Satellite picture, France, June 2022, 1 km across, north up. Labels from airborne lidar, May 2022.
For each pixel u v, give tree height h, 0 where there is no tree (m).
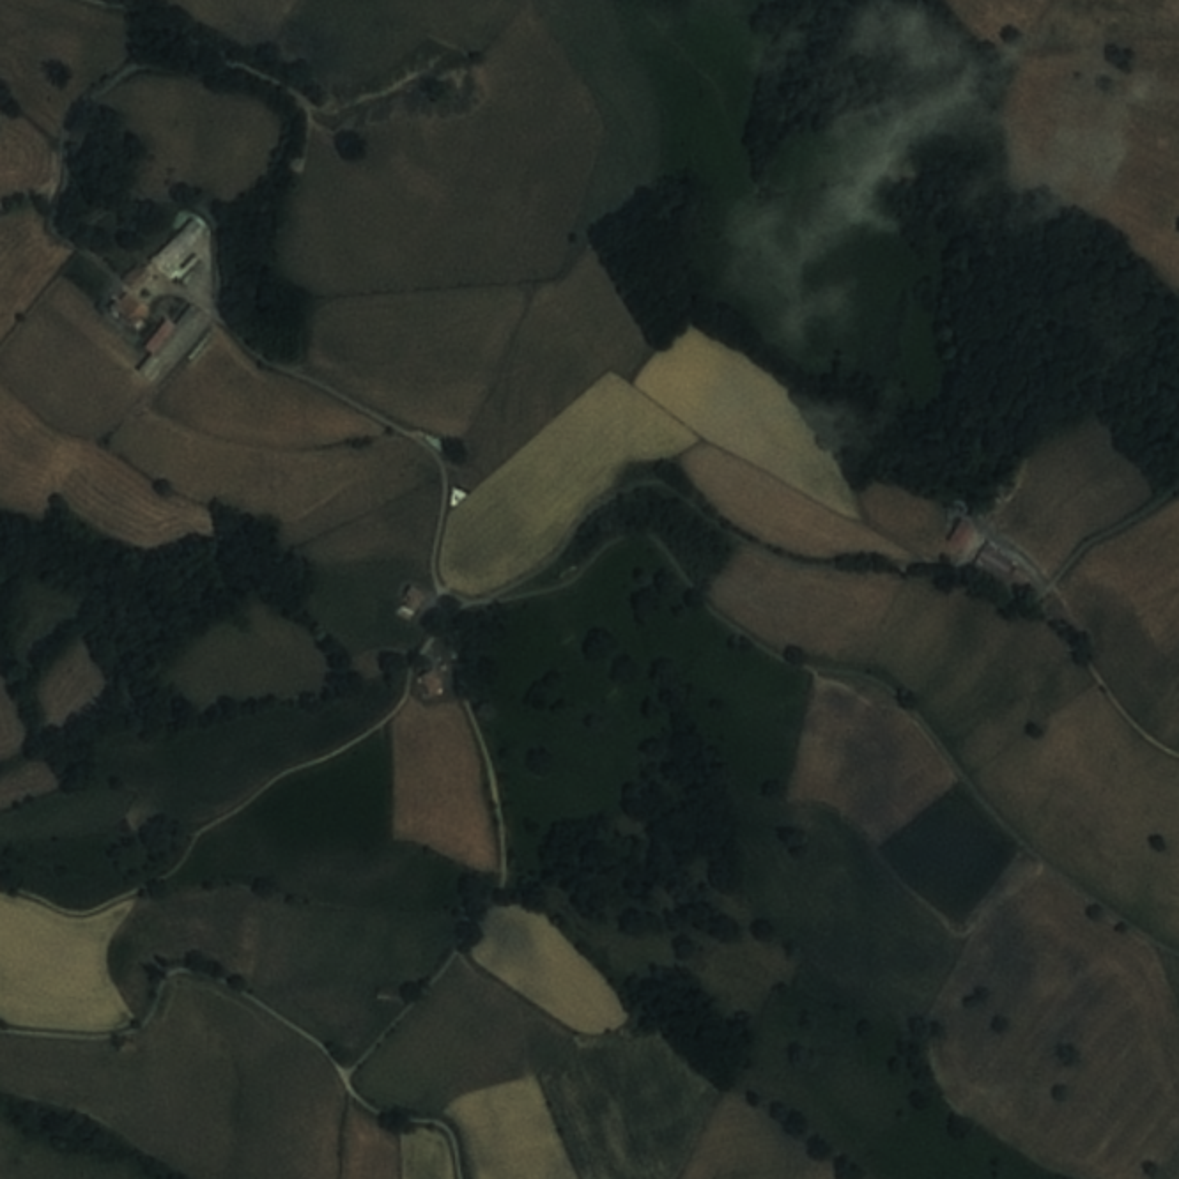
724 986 0
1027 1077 0
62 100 0
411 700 0
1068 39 0
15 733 0
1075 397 19
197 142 0
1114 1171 0
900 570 9
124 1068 0
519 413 0
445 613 15
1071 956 0
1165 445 15
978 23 0
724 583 0
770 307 0
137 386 0
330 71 0
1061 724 0
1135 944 0
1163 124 0
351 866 0
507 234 0
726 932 29
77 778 18
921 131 17
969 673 0
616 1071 0
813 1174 0
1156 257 0
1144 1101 0
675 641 0
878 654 0
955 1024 0
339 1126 0
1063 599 0
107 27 0
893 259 0
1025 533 0
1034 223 28
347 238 0
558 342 0
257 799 0
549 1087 0
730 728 0
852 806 0
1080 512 0
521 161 0
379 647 0
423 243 0
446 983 0
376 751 0
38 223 0
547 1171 0
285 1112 0
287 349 18
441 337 0
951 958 0
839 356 12
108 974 0
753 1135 0
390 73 0
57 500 12
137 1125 0
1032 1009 0
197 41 16
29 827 0
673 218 10
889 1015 0
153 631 30
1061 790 0
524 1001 0
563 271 0
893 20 14
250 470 0
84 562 13
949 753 0
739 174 0
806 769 0
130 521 0
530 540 0
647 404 0
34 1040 0
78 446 0
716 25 0
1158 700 0
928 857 0
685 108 0
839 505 0
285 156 10
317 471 0
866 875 0
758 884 0
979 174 17
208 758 0
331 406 0
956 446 17
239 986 14
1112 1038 0
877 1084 0
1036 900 0
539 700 9
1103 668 0
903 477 20
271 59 12
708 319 27
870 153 0
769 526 0
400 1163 0
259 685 0
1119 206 0
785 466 0
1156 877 0
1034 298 17
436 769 0
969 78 15
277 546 15
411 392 0
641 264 24
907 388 8
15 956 0
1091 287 13
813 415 22
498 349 0
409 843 0
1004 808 0
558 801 0
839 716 0
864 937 0
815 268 0
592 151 0
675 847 18
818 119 13
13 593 26
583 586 0
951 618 0
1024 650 0
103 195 14
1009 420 21
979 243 27
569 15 0
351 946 0
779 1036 0
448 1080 0
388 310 0
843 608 0
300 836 0
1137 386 15
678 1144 0
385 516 0
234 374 0
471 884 19
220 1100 0
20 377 0
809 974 0
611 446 0
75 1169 0
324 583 0
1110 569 0
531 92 0
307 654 0
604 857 29
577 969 0
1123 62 15
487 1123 0
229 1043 0
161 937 0
